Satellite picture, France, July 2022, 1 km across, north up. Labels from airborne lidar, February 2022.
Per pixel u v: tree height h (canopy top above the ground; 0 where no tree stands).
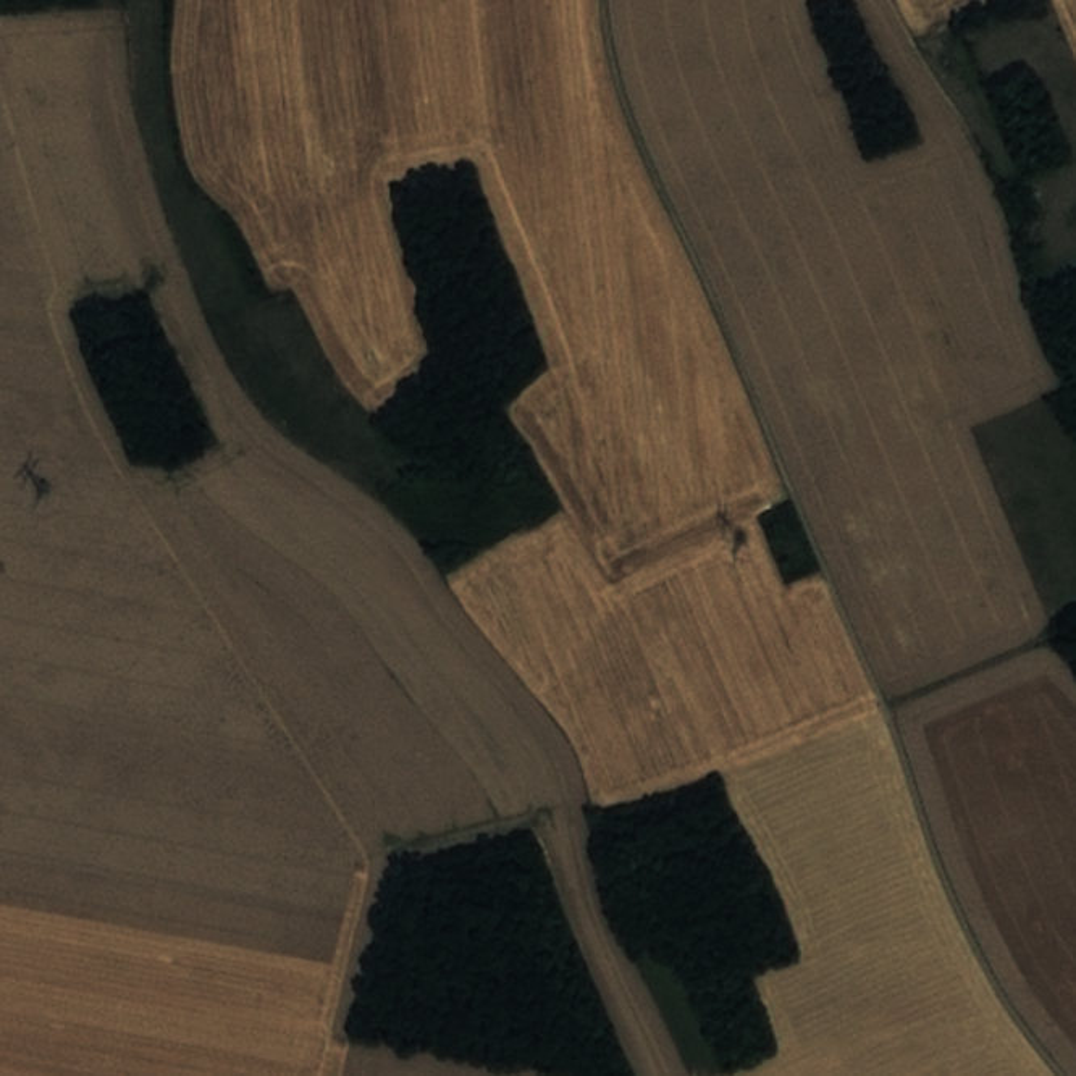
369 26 0
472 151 0
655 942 13
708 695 0
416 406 22
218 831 0
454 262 22
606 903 17
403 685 0
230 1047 0
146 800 0
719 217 0
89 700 0
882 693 0
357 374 0
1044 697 0
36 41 0
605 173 0
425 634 0
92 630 0
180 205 0
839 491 0
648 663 0
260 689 0
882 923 0
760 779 0
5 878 0
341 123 0
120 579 0
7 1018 0
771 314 0
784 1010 0
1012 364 0
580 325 0
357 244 0
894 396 0
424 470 15
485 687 0
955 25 10
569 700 0
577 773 0
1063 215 0
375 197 0
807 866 0
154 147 0
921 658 0
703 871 20
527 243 0
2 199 0
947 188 0
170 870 0
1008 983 0
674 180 0
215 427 0
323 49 0
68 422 0
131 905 0
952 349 0
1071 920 0
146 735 0
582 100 0
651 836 21
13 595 0
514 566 0
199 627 0
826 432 0
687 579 0
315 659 0
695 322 0
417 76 0
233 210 0
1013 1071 0
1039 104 16
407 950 28
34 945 0
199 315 0
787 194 0
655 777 0
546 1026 23
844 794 0
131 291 0
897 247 0
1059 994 0
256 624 0
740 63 0
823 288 0
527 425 0
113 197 0
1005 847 0
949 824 0
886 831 0
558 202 0
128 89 0
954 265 0
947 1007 0
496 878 23
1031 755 0
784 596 0
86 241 0
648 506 0
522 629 0
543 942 21
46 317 0
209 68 0
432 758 0
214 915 0
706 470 0
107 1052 0
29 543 0
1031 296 16
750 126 0
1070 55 0
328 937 0
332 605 0
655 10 0
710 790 10
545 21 0
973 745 0
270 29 0
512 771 0
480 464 21
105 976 0
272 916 0
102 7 0
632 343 0
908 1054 0
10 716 0
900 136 19
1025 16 17
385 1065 0
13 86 0
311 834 0
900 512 0
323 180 0
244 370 0
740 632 0
